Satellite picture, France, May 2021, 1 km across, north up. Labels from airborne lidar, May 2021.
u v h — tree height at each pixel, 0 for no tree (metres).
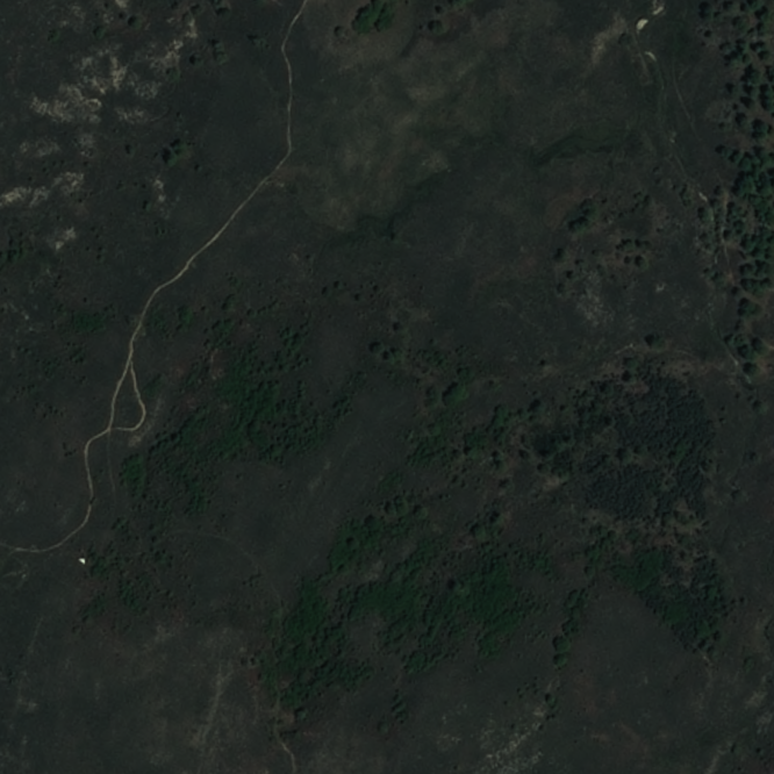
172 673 0
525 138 0
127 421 0
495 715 0
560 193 0
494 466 10
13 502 0
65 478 0
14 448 0
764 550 0
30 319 0
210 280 0
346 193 0
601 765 0
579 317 0
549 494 0
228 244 0
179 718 0
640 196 7
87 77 0
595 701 0
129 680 0
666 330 0
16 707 0
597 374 0
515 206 0
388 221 0
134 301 0
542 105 0
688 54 0
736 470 0
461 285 0
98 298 0
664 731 0
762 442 0
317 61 0
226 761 0
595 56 0
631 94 0
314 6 0
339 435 0
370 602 9
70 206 0
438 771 0
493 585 10
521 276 0
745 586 0
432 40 0
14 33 0
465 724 0
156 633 0
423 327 0
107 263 0
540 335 0
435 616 8
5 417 0
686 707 0
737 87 18
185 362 0
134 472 6
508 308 0
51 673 0
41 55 0
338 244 0
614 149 0
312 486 0
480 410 0
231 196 0
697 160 0
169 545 0
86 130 0
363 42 0
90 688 0
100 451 0
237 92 0
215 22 0
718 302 0
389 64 0
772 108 21
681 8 0
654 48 0
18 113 0
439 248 0
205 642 0
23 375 6
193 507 6
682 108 0
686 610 12
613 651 0
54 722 0
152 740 0
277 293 0
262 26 0
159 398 0
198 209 0
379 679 0
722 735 0
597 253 10
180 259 0
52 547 0
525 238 0
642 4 0
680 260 0
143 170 0
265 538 0
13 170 0
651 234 0
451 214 0
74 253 0
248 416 8
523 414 13
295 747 0
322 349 0
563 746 0
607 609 0
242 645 0
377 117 0
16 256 9
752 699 0
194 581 0
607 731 0
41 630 0
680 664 0
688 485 12
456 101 0
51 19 0
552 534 0
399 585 6
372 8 10
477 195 0
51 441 0
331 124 0
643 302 0
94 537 0
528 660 0
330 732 0
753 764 0
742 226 18
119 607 0
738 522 0
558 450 11
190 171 0
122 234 0
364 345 0
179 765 0
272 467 0
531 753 0
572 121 0
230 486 0
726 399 0
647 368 6
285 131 0
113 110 0
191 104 0
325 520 0
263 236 0
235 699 0
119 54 0
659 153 0
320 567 0
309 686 7
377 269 0
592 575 16
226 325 8
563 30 0
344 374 0
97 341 0
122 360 0
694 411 11
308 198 0
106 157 0
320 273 0
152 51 0
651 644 0
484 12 0
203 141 0
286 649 15
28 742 0
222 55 10
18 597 0
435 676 0
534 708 0
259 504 0
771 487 0
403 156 0
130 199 0
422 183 0
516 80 0
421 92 0
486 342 0
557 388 0
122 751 0
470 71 0
